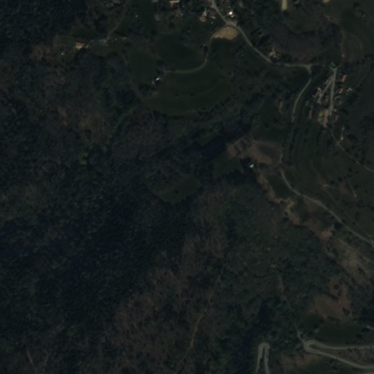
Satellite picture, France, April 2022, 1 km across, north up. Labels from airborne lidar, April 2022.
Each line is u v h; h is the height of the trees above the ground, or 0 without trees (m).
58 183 26
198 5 7
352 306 13
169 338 22
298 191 0
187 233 25
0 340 18
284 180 0
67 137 29
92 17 25
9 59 26
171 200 0
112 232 18
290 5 0
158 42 0
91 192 31
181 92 0
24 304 18
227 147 35
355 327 0
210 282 18
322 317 0
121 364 21
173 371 15
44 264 10
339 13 0
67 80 10
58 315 16
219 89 0
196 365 21
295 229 23
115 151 36
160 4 12
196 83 0
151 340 18
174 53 0
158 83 17
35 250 19
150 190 24
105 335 26
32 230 34
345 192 0
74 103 32
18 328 15
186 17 6
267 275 10
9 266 20
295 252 34
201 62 0
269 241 24
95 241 10
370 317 18
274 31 25
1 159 21
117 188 27
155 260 23
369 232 0
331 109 0
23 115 24
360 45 0
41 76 24
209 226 30
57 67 18
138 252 21
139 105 29
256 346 14
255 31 6
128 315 31
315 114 17
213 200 29
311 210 0
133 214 30
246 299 28
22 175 21
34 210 26
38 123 9
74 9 28
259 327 30
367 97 0
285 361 0
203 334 21
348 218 0
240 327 30
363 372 12
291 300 15
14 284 22
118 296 24
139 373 18
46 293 15
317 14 20
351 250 0
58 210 35
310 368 0
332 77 0
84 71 29
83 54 22
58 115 30
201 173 23
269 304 14
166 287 33
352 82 0
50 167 21
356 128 0
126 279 30
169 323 21
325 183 0
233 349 32
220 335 26
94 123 0
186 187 0
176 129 32
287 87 19
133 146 34
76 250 12
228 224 32
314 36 28
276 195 0
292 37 26
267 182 0
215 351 14
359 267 0
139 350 10
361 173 0
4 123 27
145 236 22
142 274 31
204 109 10
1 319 16
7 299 24
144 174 27
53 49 12
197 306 19
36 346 13
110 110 29
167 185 13
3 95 17
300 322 20
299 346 20
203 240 30
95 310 17
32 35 21
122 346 27
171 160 33
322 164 0
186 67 0
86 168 17
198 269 22
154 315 14
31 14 12
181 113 0
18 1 17
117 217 8
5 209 23
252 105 11
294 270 27
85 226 14
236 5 9
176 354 25
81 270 8
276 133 0
